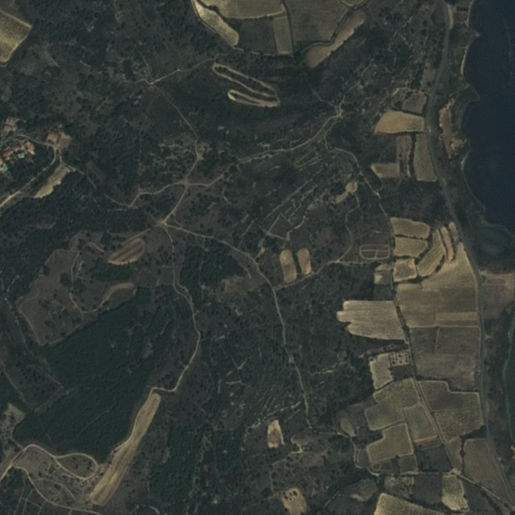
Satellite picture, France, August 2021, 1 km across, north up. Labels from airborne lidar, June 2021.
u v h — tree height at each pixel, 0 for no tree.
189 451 8
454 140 0
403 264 0
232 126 0
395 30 0
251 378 10
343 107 6
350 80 0
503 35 0
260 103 0
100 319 6
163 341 6
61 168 0
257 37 0
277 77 0
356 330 0
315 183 0
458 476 7
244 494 7
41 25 11
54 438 7
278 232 0
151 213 8
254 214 0
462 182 0
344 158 0
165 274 0
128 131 9
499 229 0
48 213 7
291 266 0
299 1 0
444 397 0
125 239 7
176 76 0
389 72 0
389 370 7
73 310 0
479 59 0
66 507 0
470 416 0
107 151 11
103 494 0
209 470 8
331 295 0
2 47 0
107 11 0
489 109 0
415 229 0
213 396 7
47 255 6
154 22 0
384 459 0
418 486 0
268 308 0
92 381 6
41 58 0
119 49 0
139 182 7
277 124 0
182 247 0
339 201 0
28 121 9
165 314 7
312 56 0
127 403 6
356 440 12
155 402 0
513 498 0
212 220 0
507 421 0
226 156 9
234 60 7
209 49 10
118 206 8
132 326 7
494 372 0
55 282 0
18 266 6
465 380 0
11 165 9
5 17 0
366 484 0
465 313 0
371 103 0
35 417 7
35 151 10
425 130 0
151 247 0
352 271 0
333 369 0
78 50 9
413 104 0
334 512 7
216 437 13
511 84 0
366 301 0
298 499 0
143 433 0
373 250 0
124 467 0
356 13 0
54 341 0
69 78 0
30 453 0
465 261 0
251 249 11
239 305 0
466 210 0
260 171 0
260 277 0
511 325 0
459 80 0
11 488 8
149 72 0
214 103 9
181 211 0
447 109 0
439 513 0
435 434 0
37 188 12
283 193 0
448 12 0
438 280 0
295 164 0
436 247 0
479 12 0
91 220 6
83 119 0
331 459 0
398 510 0
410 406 0
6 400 6
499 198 0
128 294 0
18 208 6
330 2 0
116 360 6
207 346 6
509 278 0
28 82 0
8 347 0
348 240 0
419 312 0
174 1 11
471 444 0
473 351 0
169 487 11
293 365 7
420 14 0
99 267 6
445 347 0
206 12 0
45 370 0
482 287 0
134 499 0
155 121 0
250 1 0
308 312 9
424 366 0
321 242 0
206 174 6
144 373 6
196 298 8
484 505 0
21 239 8
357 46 0
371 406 0
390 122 0
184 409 6
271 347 7
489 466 0
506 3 0
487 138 0
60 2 6
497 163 0
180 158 6
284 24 0
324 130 0
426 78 0
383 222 0
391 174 0
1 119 11
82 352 5
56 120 8
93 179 10
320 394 7
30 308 0
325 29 0
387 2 0
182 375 0
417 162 0
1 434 0
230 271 11
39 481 0
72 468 0
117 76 0
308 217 0
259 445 0
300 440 0
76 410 5
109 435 6
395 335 0
